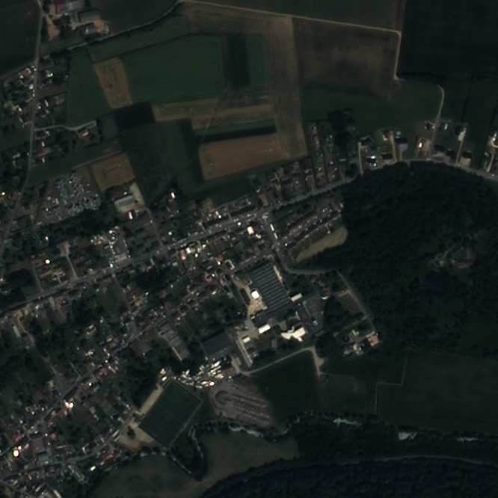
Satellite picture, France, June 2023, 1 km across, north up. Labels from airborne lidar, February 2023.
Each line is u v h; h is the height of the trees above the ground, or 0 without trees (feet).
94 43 24
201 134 0
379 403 0
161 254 0
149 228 0
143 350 0
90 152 0
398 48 0
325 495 100
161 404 0
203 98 0
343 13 0
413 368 0
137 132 0
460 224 57
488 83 0
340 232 0
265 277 0
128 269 0
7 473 0
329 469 64
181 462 29
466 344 0
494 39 0
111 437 0
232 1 0
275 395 0
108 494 0
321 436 49
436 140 0
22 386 0
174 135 0
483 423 0
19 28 0
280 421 0
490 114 0
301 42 0
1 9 0
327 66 0
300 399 0
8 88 29
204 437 0
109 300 0
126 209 0
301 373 0
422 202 82
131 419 0
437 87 0
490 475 78
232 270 0
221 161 0
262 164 0
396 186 63
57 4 0
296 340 53
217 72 0
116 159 0
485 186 62
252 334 0
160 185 0
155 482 0
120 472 0
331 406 0
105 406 0
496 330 0
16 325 0
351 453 47
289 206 33
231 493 79
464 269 0
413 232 57
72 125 0
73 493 23
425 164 47
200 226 0
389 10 0
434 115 0
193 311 26
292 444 0
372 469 67
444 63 0
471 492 80
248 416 0
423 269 0
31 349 0
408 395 0
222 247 0
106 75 0
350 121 34
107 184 0
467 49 0
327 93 0
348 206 54
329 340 78
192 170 0
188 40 0
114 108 0
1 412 0
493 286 61
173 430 0
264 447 0
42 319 0
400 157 0
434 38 0
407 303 22
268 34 0
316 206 0
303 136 0
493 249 25
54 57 45
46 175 0
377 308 81
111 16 0
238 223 0
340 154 0
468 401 0
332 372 0
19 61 0
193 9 0
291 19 0
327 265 64
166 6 0
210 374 0
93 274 0
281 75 0
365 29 0
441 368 0
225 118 0
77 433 30
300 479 102
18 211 0
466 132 0
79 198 0
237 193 0
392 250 43
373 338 0
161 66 0
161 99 0
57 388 0
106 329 0
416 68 0
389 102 0
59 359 23
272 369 0
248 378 0
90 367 0
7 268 22
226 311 26
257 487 79
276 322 0
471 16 0
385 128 0
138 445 0
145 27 24
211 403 0
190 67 0
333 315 68
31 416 0
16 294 62
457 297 20
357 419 37
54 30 0
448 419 0
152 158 0
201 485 0
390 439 34
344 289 0
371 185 76
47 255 0
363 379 0
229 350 0
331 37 0
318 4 0
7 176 55
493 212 68
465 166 0
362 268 63
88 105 0
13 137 0
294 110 0
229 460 0
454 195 65
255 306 0
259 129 0
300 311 0
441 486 103
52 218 0
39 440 0
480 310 57
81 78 0
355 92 0
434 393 0
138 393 45
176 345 0
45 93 0
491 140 0
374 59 0
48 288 0
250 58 0
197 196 0
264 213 0
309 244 0
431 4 0
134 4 0
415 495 98
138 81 0
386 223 61
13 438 0
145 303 0
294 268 0
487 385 0
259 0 0
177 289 0
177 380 0
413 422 0
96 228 60
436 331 72
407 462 36
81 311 46
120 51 0
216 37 0
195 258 0
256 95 0
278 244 0
